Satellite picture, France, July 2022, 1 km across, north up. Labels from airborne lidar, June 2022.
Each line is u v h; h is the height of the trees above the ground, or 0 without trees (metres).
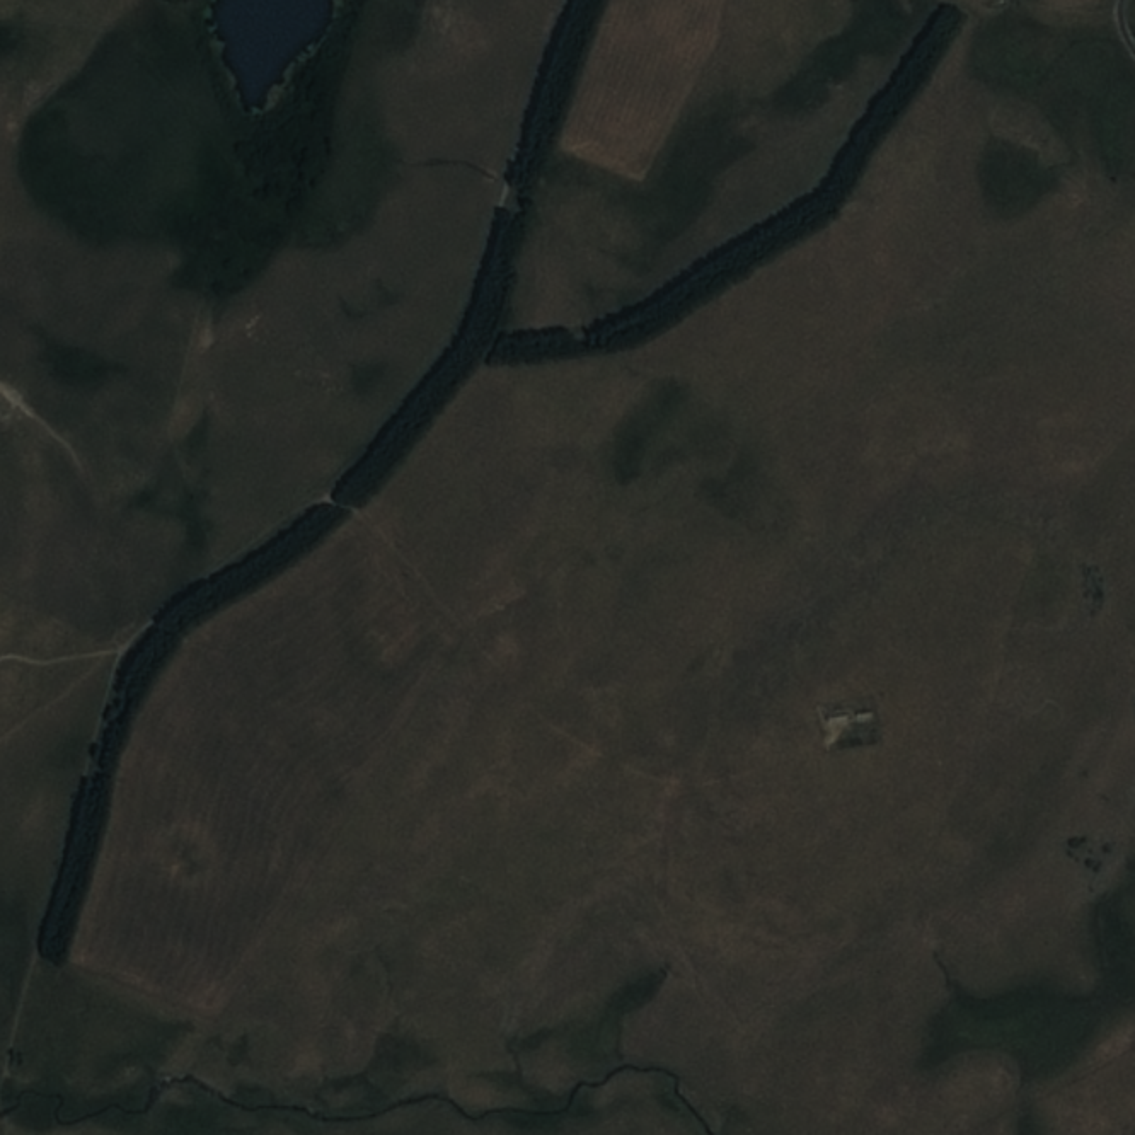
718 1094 0
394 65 0
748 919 0
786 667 0
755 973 0
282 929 0
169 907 0
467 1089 0
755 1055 0
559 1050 0
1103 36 0
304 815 0
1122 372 0
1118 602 0
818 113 0
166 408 0
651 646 0
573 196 0
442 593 0
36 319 0
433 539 0
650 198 0
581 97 0
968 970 0
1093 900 0
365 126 0
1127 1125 0
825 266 0
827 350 0
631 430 0
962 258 0
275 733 0
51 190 0
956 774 0
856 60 0
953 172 0
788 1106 0
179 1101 0
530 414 0
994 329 0
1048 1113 0
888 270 0
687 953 0
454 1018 0
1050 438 0
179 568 0
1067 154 0
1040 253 0
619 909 0
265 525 0
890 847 0
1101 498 0
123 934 0
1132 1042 0
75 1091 0
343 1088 0
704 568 0
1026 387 0
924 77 16
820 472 0
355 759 0
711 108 0
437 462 0
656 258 0
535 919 0
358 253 0
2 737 0
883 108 18
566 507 0
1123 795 0
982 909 0
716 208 0
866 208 0
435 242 0
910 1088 0
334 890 0
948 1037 0
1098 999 0
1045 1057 0
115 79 0
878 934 0
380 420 0
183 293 0
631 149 0
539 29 0
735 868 0
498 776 0
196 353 0
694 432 0
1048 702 0
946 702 0
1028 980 0
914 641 0
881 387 0
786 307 0
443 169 0
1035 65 0
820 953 0
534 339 20
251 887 0
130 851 0
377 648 0
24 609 0
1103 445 0
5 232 0
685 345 0
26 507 0
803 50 0
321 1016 0
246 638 0
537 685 0
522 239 9
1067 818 0
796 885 0
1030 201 0
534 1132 0
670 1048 0
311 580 0
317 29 0
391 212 0
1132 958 0
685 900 0
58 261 0
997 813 0
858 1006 0
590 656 0
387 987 0
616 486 0
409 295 0
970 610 0
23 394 0
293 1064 0
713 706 0
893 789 0
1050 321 0
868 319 0
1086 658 0
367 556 0
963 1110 0
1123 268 0
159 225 0
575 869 0
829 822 0
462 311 0
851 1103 0
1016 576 0
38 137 0
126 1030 0
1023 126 0
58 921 16
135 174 0
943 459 0
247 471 0
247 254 0
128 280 0
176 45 0
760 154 0
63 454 0
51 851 0
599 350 16
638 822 0
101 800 21
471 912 0
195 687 0
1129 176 0
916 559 0
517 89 0
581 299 0
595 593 0
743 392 0
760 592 0
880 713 0
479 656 0
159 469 0
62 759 0
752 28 0
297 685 0
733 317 0
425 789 0
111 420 0
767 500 0
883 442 0
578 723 0
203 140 0
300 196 6
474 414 0
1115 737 0
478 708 0
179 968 0
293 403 0
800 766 0
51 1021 0
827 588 0
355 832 0
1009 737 0
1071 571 0
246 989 0
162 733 0
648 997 0
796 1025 0
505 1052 0
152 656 19
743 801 0
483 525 0
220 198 0
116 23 0
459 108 0
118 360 0
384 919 0
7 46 0
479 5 0
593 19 21
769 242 18
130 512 0
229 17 0
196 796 0
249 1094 0
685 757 0
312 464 0
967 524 0
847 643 0
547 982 0
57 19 0
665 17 0
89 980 0
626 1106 0
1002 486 0
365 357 0
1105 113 0
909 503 0
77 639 0
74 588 0
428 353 0
